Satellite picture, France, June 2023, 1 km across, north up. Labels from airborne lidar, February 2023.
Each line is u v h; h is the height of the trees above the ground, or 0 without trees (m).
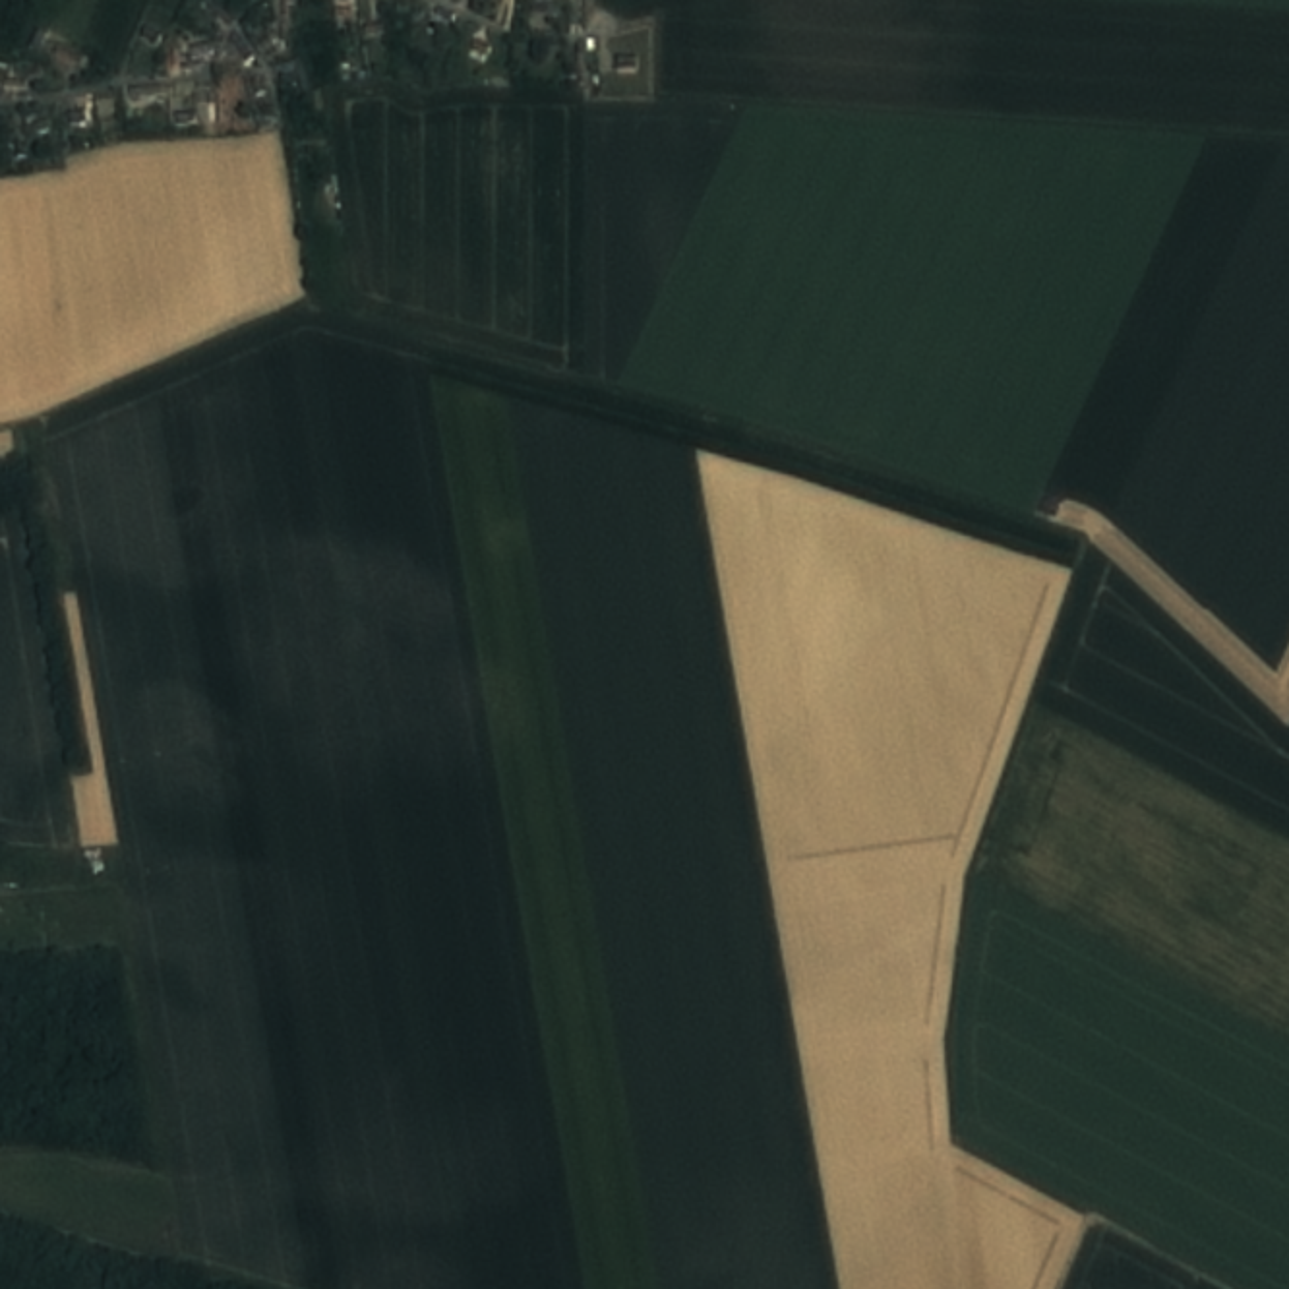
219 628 0
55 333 0
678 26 0
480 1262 0
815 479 0
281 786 0
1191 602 0
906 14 0
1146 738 0
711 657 0
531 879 0
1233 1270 0
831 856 0
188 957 0
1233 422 0
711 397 0
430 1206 0
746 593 0
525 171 0
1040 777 0
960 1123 0
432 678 0
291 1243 0
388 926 0
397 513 0
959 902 0
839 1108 0
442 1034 0
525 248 0
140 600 0
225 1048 0
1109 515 0
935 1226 0
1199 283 0
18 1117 18
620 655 0
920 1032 0
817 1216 0
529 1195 0
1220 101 0
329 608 0
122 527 0
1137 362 0
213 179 0
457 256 0
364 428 0
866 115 0
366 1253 0
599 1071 0
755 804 0
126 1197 0
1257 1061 0
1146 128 0
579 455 0
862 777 0
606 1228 0
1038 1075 0
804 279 0
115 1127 17
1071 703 0
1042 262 0
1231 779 0
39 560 15
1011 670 0
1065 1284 0
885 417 0
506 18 0
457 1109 0
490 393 0
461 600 0
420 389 0
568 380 0
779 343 0
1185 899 0
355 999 0
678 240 0
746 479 0
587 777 0
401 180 0
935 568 0
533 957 0
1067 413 0
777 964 0
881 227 0
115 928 0
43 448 0
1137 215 0
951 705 0
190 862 0
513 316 0
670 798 0
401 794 0
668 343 0
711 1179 0
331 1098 0
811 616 0
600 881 0
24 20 5
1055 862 0
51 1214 0
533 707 0
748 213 0
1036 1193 0
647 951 0
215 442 0
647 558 0
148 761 0
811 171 0
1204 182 0
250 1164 0
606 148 0
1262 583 0
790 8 0
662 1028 0
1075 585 0
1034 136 0
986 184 0
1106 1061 0
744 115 0
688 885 0
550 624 0
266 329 0
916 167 0
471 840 0
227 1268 0
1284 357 0
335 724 0
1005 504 0
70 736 12
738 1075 0
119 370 0
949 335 0
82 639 0
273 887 0
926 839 0
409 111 0
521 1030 0
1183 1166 0
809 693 0
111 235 0
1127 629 0
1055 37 0
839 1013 0
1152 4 0
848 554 0
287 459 0
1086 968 0
